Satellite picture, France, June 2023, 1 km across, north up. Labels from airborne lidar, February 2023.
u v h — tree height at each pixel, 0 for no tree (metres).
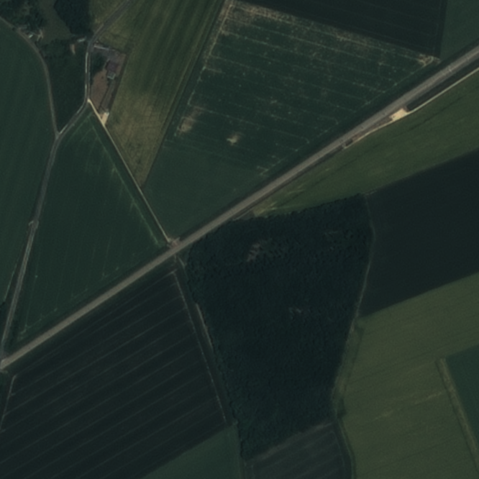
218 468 0
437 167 0
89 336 0
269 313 21
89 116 0
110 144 0
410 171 0
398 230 0
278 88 0
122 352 0
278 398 23
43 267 0
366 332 0
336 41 0
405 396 0
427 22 0
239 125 0
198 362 0
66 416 0
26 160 0
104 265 0
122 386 0
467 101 0
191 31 0
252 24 0
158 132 0
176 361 0
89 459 0
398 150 0
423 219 0
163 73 0
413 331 0
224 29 0
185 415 0
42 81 0
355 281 17
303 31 0
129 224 0
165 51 0
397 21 0
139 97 0
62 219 0
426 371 0
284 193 0
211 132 0
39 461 0
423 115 0
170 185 0
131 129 0
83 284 0
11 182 0
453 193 0
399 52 0
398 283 0
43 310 0
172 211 0
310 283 20
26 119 0
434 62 0
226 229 14
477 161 0
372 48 0
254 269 7
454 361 0
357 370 0
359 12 0
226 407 0
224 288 20
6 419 0
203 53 0
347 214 20
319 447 0
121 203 0
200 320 0
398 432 0
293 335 11
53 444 0
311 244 19
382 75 0
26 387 0
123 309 0
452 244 0
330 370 12
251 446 19
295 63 0
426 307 0
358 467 0
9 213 0
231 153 0
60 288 0
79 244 0
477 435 0
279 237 12
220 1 0
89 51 0
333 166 0
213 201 0
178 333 0
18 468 0
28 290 0
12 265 0
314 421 20
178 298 0
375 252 0
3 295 0
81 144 0
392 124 0
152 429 0
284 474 0
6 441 0
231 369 16
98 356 0
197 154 0
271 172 0
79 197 0
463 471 0
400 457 0
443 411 0
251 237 13
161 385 0
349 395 0
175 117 0
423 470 0
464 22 0
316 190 0
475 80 0
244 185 0
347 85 0
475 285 0
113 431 0
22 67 0
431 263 0
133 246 0
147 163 0
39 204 0
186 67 0
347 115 0
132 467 0
